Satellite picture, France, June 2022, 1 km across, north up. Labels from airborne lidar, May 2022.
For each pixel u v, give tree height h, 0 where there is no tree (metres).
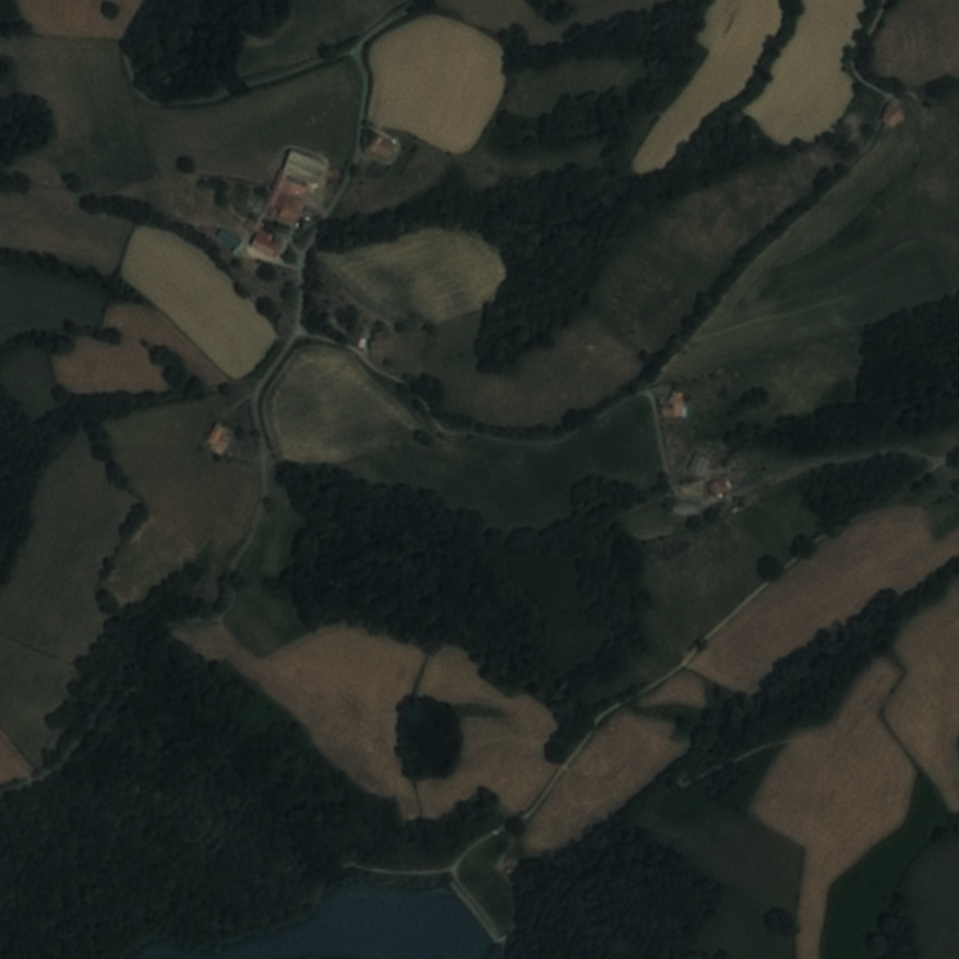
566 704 15
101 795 8
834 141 17
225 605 13
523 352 10
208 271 0
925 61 0
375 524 23
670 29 20
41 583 0
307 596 26
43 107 9
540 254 17
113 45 0
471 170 0
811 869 0
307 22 0
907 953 18
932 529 0
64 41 0
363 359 0
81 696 18
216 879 23
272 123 0
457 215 15
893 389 16
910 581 0
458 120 0
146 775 15
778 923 20
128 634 21
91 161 0
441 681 0
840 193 0
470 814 19
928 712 0
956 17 0
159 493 0
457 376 0
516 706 0
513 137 0
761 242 7
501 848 9
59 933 18
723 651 0
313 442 0
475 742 0
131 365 0
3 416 18
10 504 13
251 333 0
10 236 0
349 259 0
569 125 18
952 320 12
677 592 0
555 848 0
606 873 26
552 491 0
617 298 0
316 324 13
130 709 21
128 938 18
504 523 0
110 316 0
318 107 0
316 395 0
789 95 0
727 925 0
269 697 0
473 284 0
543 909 23
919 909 0
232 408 0
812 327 0
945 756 0
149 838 24
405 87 0
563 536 21
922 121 0
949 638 0
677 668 0
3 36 12
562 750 18
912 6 0
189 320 0
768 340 0
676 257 0
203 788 12
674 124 0
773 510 0
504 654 22
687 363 0
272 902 14
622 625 17
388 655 0
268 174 0
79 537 0
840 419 21
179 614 15
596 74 0
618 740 0
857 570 0
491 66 0
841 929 0
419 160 0
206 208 0
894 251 0
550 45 12
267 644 0
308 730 0
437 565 24
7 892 15
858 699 0
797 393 0
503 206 18
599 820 0
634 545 18
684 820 0
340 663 0
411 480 0
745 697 20
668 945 9
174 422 0
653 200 21
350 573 21
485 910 0
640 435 0
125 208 18
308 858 27
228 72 18
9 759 0
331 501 12
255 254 0
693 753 8
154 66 21
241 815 12
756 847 0
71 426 18
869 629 20
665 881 22
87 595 0
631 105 20
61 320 0
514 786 0
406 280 0
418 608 23
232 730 11
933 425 18
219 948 8
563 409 0
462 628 16
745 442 7
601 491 17
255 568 0
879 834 0
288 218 0
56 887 24
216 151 0
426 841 14
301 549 25
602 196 21
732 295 0
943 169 0
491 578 14
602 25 15
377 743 0
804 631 0
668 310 0
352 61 0
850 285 0
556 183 21
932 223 0
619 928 21
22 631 0
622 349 0
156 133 0
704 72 0
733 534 0
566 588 0
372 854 8
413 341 0
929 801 0
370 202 0
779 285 0
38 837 22
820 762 0
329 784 8
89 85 0
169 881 22
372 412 0
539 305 11
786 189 0
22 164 0
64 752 9
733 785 9
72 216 0
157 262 0
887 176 0
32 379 0
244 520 0
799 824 0
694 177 8
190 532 0
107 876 23
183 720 30
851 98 0
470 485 0
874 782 0
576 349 0
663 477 10
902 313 9
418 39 0
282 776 6
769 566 18
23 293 0
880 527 0
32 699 0
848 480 16
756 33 0
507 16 0
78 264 0
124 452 0
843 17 0
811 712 8
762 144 10
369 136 9
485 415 0
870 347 11
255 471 0
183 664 29
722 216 0
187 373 14
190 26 9
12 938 22
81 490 0
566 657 0
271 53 0
